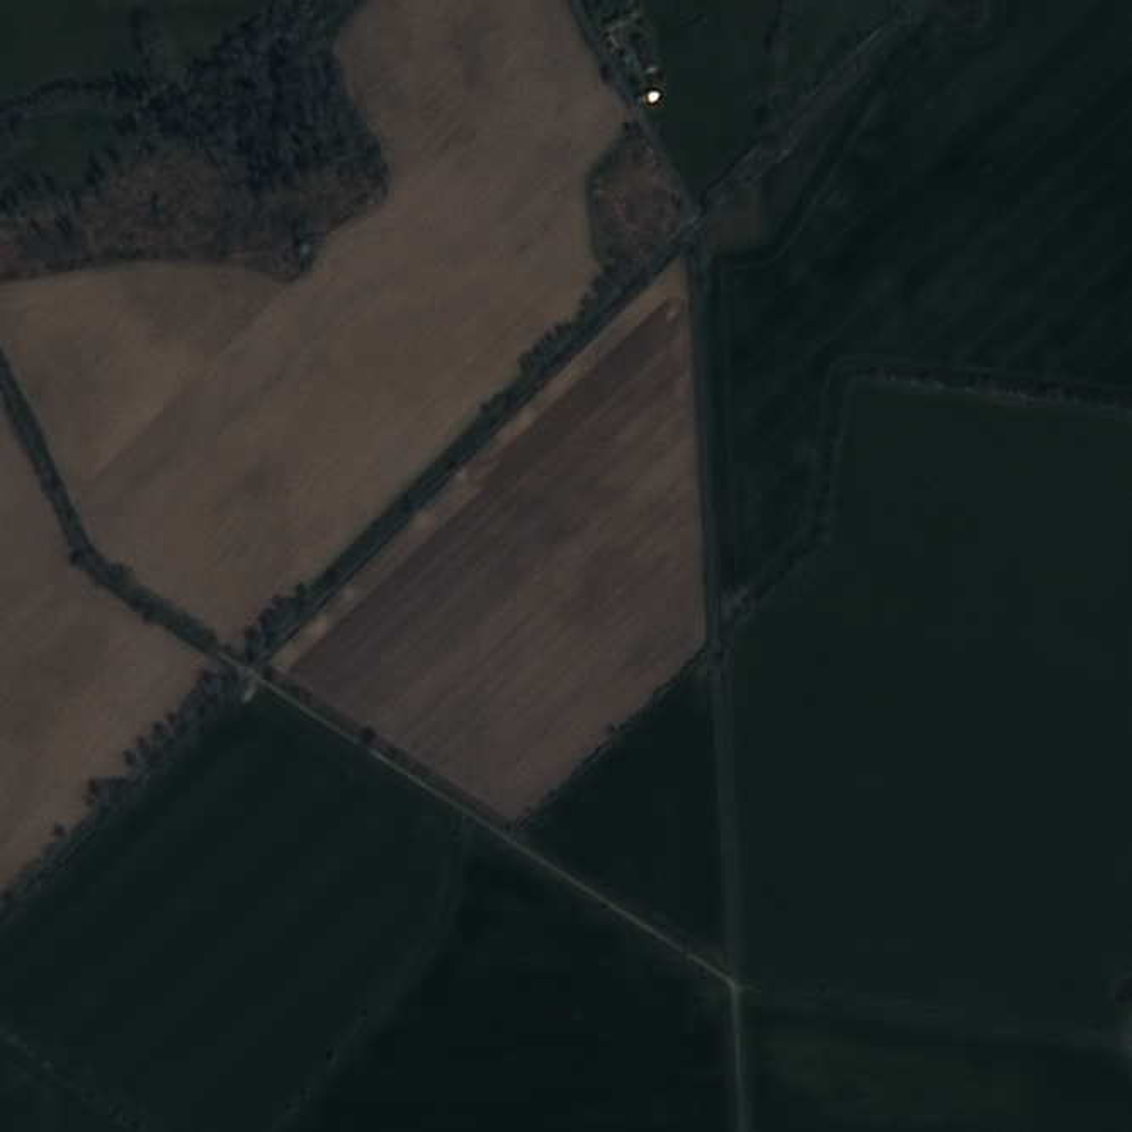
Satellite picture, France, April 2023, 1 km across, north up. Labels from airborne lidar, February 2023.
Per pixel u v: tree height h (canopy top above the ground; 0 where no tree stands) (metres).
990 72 0
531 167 0
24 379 0
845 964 0
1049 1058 0
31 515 0
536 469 0
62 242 18
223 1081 0
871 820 0
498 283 0
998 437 0
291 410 0
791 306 0
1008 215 0
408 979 0
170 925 0
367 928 0
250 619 0
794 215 0
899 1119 0
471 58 0
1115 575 0
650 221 13
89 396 0
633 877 0
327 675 0
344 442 0
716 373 0
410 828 0
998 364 0
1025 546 0
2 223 17
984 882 0
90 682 0
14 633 0
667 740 0
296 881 0
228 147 25
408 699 0
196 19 0
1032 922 0
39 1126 0
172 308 0
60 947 0
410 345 0
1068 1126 0
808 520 0
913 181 0
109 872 0
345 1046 0
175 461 0
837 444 10
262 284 0
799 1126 0
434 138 0
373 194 28
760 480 0
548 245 0
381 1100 0
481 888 0
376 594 0
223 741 0
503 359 0
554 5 0
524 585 0
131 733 0
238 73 26
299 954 0
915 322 0
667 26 0
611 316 10
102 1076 0
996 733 0
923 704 0
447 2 0
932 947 0
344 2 6
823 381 0
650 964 0
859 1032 0
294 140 18
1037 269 0
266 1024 0
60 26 0
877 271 0
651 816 0
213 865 0
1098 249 0
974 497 0
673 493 0
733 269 0
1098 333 0
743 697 0
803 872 0
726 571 0
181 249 24
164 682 0
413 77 0
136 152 24
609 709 0
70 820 0
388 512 0
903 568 0
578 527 0
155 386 0
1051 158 0
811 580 0
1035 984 0
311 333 0
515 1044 0
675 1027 0
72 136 0
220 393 0
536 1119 0
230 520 0
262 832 0
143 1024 0
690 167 0
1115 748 0
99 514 0
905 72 0
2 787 0
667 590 0
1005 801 0
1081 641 0
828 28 0
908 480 0
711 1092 0
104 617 0
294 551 0
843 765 0
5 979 0
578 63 0
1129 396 0
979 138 0
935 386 6
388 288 0
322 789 0
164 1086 0
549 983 0
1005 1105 0
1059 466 0
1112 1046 0
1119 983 0
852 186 0
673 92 0
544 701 0
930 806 0
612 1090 0
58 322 0
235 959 0
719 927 0
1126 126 0
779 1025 0
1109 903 0
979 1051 0
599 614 0
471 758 0
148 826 0
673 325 0
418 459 0
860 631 0
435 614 0
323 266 0
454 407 0
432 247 0
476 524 0
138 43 22
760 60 0
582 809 0
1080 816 0
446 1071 0
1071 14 0
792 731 0
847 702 0
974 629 0
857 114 0
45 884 10
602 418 0
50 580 0
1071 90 0
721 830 0
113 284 0
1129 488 0
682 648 0
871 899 0
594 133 0
